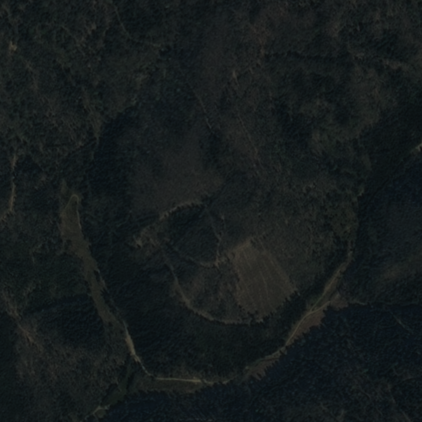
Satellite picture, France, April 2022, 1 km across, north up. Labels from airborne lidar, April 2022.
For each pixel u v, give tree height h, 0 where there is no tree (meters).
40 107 22
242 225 18
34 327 23
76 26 22
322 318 0
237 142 20
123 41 17
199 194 18
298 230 22
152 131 12
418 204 25
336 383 17
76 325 30
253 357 18
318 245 22
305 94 18
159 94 16
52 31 23
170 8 20
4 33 12
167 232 22
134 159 18
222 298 20
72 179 25
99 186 22
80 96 20
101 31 28
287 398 14
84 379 28
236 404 11
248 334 20
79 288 9
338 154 27
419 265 18
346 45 20
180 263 22
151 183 13
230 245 19
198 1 19
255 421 11
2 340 19
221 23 19
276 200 25
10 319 19
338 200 28
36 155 21
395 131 25
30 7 21
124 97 20
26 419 24
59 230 25
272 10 18
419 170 25
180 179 12
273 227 20
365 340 20
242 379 20
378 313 21
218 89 19
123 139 11
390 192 34
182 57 12
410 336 11
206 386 17
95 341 30
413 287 14
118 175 14
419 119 25
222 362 21
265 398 20
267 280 0
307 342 12
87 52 20
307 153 18
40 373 21
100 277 21
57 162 22
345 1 16
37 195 24
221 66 19
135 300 19
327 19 21
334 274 23
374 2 17
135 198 13
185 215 25
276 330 19
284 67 28
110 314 0
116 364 25
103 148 20
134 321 18
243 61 15
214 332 19
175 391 7
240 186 22
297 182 18
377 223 26
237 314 22
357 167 30
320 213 27
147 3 18
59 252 19
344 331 27
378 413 17
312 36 22
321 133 6
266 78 22
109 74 21
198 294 16
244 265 0
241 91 19
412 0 14
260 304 0
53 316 29
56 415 18
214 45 22
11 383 16
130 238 11
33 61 18
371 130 20
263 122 23
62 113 18
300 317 25
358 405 11
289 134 31
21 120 22
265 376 0
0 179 25
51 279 14
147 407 37
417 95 25
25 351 23
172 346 27
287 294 0
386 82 15
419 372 17
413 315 27
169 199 14
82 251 0
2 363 14
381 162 30
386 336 19
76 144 22
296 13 27
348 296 29
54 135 22
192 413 9
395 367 17
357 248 21
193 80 19
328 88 23
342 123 17
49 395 28
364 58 14
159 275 23
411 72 17
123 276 16
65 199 25
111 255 13
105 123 17
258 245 21
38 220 9
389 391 6
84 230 22
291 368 33
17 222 20
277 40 23
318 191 21
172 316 12
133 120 23
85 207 23
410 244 16
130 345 0
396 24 18
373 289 19
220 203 21
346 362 14
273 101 25
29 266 9
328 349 12
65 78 26
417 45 16
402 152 26
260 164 20
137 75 25
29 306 7
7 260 9
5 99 30
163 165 16
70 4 21
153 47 19
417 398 9
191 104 15
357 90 22
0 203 23
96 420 24
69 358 21
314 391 27
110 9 27
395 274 8
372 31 27
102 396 21
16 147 16
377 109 17
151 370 15
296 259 18
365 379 20
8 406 14
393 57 10
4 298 20
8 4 16
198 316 15
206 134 17
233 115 14
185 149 13
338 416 13
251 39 18
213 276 20
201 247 19
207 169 20
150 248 24
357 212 26
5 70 26
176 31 19
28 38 28
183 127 16
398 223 19
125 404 17
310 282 23
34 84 19
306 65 25
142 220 21
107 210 15
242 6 17
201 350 16
